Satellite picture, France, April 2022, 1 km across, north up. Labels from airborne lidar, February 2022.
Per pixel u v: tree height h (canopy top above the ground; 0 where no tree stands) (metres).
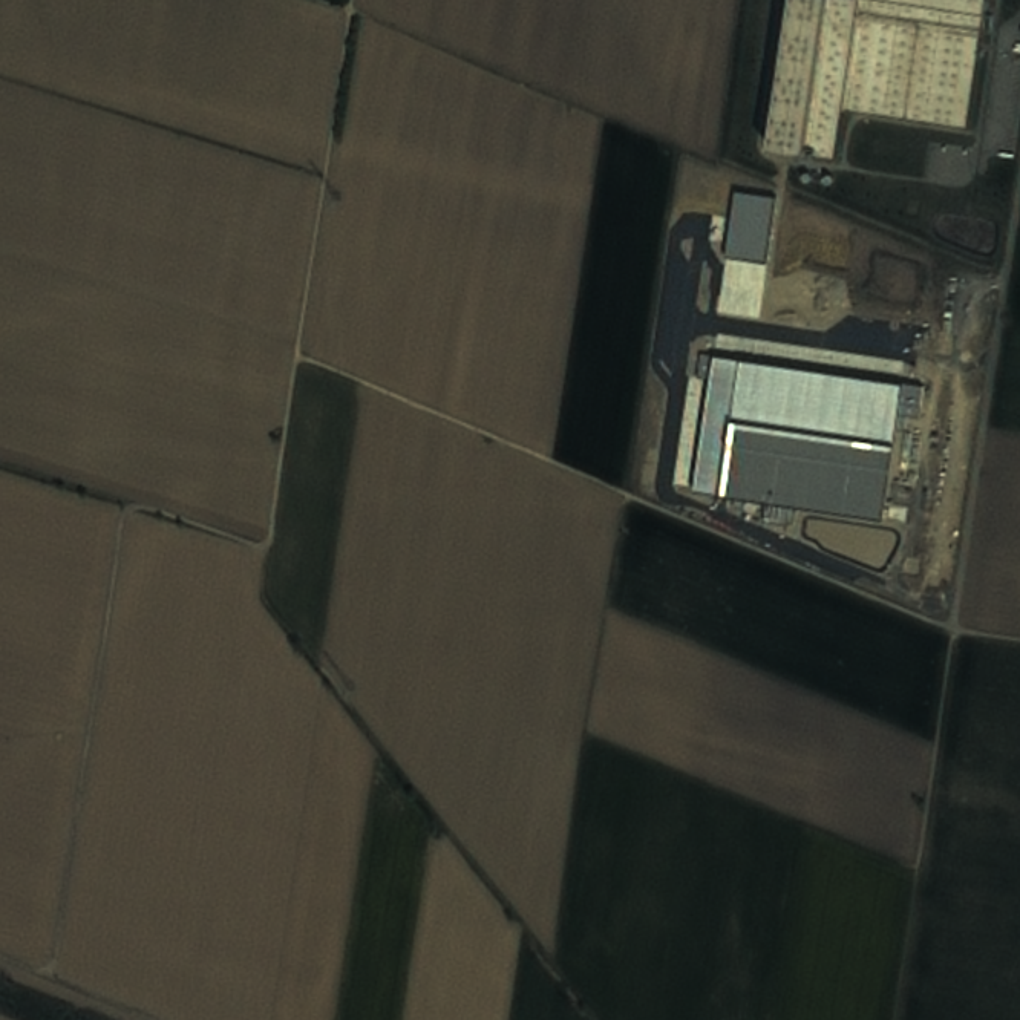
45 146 0
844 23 0
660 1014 0
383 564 0
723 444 0
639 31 0
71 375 0
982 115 0
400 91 0
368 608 0
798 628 0
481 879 0
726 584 0
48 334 0
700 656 0
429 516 0
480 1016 0
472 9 0
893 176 0
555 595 0
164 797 0
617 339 0
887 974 0
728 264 0
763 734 0
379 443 0
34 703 0
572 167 0
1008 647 0
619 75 0
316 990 0
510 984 0
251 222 0
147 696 0
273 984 0
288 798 0
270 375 0
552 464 0
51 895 0
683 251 0
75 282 0
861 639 0
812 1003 0
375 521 0
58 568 0
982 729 0
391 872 0
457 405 0
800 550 0
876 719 0
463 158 0
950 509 0
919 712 0
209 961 0
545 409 0
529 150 0
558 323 0
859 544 0
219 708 0
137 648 0
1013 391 0
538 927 0
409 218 0
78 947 0
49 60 0
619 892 0
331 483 0
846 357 0
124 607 0
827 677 0
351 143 0
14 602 0
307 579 0
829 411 0
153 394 0
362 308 0
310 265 0
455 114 0
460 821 0
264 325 0
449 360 0
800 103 0
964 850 0
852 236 0
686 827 0
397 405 0
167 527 0
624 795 0
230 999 0
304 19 0
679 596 0
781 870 0
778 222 0
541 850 0
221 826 0
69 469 0
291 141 0
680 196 0
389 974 0
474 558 0
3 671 0
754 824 0
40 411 0
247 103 0
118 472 0
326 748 0
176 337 0
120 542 0
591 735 0
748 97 0
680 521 0
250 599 0
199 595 0
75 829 0
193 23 0
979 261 0
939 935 0
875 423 0
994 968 0
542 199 0
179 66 0
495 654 0
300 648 14
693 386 0
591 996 0
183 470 0
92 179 0
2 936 0
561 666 0
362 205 0
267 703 0
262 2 0
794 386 0
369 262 0
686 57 0
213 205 0
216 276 0
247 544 0
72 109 0
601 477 0
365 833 0
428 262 0
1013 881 0
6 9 0
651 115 0
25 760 0
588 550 0
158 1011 0
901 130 0
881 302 0
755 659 0
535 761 0
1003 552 0
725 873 0
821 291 0
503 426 0
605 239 0
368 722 0
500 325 0
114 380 0
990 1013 0
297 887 0
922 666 0
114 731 0
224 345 0
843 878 0
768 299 0
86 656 0
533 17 0
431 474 0
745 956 0
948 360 0
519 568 0
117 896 0
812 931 0
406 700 0
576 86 0
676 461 0
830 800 0
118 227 0
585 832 0
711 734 0
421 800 0
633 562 0
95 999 0
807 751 0
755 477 0
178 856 0
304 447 0
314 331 0
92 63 0
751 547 0
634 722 0
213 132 0
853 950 0
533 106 0
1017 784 0
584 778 0
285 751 0
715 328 0
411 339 0
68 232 0
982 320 0
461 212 0
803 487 0
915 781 0
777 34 0
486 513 0
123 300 0
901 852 0
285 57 0
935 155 0
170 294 0
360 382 0
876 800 0
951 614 0
